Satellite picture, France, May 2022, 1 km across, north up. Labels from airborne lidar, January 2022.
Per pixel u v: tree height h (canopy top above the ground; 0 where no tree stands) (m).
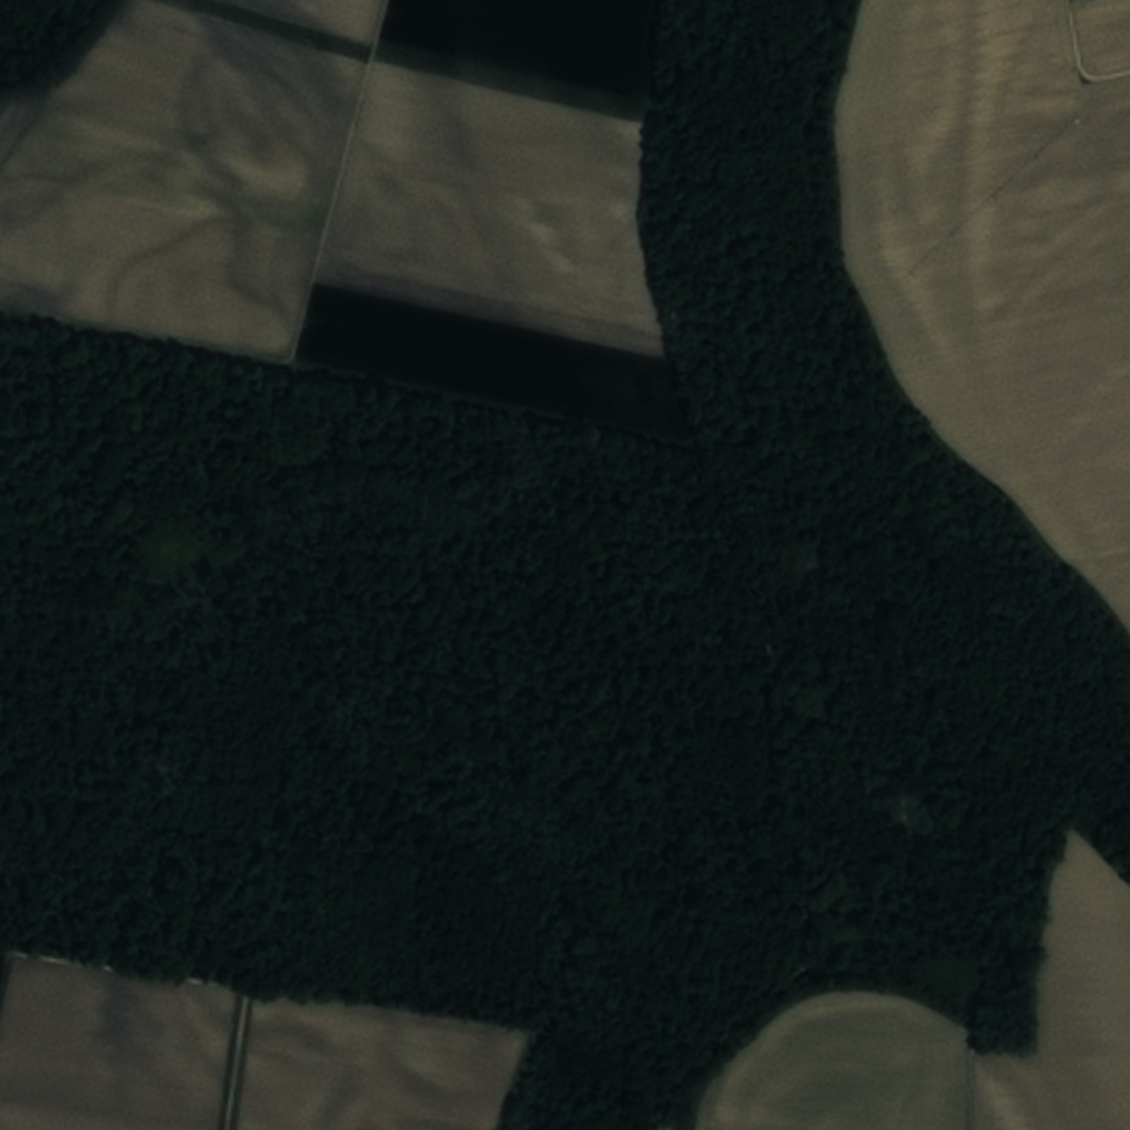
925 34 0
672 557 26
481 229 0
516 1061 0
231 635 8
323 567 24
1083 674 16
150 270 0
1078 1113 0
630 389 0
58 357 24
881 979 19
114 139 0
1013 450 0
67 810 8
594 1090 19
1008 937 21
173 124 0
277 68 0
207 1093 0
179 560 0
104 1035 0
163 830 25
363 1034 0
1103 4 0
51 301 0
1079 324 0
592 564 23
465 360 0
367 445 20
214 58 0
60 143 0
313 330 0
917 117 0
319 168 0
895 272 0
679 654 23
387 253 0
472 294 0
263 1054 0
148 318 0
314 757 18
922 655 23
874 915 7
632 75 0
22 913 24
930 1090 0
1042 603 15
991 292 0
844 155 0
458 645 24
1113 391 0
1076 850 0
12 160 0
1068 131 0
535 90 0
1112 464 0
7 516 20
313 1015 0
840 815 15
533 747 21
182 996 0
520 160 0
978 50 0
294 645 23
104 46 0
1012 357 0
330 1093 0
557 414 0
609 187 0
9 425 24
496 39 0
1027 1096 0
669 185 22
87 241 0
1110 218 0
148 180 0
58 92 0
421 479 26
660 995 18
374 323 0
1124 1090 0
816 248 20
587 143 0
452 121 0
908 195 0
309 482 28
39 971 0
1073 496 0
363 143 0
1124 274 0
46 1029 0
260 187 0
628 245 0
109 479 18
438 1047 0
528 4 0
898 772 20
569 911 26
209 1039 0
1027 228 0
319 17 0
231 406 27
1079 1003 0
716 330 21
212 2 0
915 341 0
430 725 25
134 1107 0
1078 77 0
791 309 22
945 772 20
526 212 0
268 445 28
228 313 0
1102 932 0
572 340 0
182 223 0
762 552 23
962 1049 0
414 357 0
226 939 25
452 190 0
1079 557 0
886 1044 0
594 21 0
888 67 0
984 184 0
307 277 0
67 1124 0
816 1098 0
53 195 0
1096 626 15
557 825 18
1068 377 0
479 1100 0
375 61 0
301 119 0
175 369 24
